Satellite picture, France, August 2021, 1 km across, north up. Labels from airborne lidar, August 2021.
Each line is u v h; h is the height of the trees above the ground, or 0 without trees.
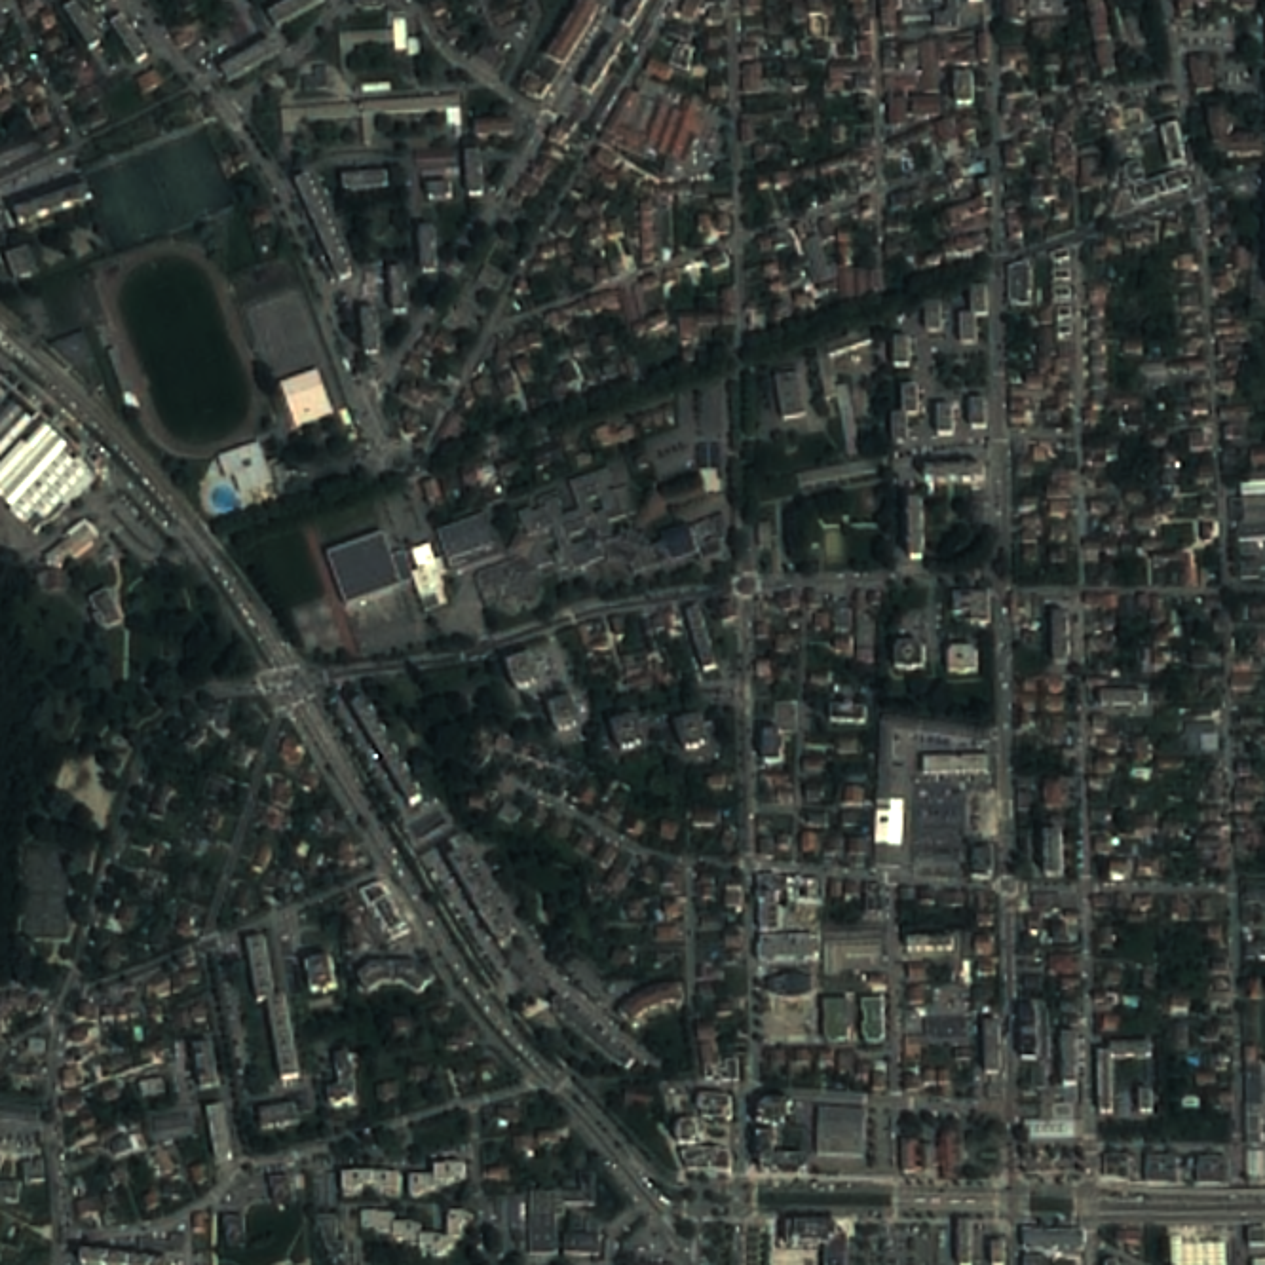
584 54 0
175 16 6
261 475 0
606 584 6
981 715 22
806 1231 0
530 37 0
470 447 17
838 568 0
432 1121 9
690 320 0
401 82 0
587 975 0
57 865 0
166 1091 6
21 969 23
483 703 16
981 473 0
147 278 0
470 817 7
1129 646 16
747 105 10
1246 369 11
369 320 0
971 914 6
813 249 0
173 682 27
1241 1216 0
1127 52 10
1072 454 9
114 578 0
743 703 0
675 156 0
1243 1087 0
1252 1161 0
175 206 0
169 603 9
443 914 6
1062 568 8
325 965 0
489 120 0
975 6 0
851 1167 0
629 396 19
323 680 0
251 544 19
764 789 7
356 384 0
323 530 0
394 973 0
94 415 0
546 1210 0
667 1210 0
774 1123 0
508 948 0
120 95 0
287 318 0
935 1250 0
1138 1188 0
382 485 16
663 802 8
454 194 0
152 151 0
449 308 23
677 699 9
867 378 10
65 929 0
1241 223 9
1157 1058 11
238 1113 12
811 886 0
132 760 0
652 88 0
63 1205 0
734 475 13
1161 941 6
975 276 16
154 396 0
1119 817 12
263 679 0
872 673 7
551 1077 0
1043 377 0
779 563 0
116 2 0
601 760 11
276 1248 0
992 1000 6
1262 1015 0
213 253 11
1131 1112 0
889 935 0
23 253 0
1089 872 0
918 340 0
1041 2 0
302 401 0
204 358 0
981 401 0
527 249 12
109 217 0
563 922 9
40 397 0
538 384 8
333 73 0
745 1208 0
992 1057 0
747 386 12
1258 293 0
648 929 7
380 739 0
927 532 0
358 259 9
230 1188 0
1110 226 18
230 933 0
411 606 0
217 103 0
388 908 0
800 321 16
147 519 0
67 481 0
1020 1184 0
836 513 22
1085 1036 0
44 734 25
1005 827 0
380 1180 0
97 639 21
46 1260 0
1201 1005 6
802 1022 0
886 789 0
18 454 0
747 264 6
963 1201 0
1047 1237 0
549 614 13
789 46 0
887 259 6
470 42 15
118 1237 0
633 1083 8
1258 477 0
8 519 0
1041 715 8
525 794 14
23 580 18
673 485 12
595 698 13
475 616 0
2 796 25
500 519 10
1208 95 9
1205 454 10
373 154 0
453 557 0
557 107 0
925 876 0
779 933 0
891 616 6
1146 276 10
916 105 0
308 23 0
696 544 0
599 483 0
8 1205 0
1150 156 0
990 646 10
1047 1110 0
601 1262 0
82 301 0
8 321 0
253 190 25
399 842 6
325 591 0
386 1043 9
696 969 0
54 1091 0
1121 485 8
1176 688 8
